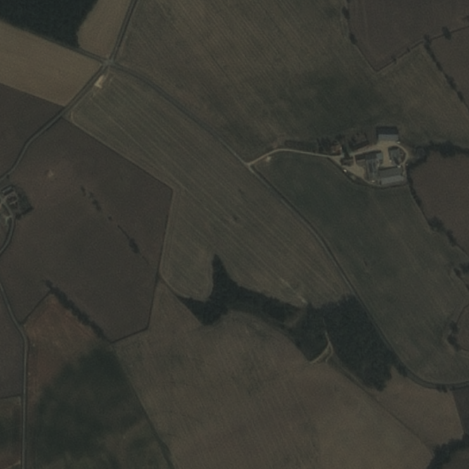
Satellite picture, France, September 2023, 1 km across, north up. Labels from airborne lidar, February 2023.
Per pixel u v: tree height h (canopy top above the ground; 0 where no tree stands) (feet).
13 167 0
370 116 0
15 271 0
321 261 0
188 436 0
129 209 0
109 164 0
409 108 0
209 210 0
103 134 0
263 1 0
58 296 66
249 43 0
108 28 0
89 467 0
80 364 0
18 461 0
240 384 0
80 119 0
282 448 0
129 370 0
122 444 0
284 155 0
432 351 0
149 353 0
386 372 61
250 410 0
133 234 0
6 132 0
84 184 0
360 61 0
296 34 0
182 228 0
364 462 0
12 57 0
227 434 0
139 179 0
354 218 0
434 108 0
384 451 0
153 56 0
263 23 0
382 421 0
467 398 0
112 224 0
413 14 0
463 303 0
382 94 0
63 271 0
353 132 0
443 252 0
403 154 0
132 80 0
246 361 0
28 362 0
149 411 0
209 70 0
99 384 0
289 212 0
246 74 0
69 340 0
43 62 0
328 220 0
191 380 0
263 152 0
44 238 0
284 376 0
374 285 0
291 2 0
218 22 0
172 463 0
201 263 0
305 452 0
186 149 0
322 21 0
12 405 0
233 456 0
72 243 0
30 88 0
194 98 0
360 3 0
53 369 0
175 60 0
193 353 0
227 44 0
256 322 0
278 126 0
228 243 0
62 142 0
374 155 0
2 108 0
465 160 0
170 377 0
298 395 0
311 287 0
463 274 0
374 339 64
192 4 0
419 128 0
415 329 0
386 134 0
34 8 80
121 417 0
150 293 0
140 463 0
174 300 0
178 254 0
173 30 0
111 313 0
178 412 0
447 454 47
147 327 0
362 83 0
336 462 0
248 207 0
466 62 0
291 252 0
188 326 0
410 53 0
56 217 0
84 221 0
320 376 0
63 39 56
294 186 0
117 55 0
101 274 0
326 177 0
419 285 0
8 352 0
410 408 0
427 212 0
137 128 0
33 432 0
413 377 0
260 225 0
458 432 0
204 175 0
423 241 0
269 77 0
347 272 0
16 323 0
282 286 0
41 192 0
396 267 0
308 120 0
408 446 0
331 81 0
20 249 0
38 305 0
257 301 58
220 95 0
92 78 0
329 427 0
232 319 0
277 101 0
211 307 36
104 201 0
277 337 0
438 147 30
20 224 0
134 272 0
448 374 0
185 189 0
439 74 0
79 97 0
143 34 0
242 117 0
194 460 0
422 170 0
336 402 0
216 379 0
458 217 0
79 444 0
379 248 0
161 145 0
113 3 0
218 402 0
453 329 51
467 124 0
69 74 0
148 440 0
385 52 0
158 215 0
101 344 0
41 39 0
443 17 0
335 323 76
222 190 0
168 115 0
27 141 0
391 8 0
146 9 0
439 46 0
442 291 0
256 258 0
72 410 0
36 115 0
